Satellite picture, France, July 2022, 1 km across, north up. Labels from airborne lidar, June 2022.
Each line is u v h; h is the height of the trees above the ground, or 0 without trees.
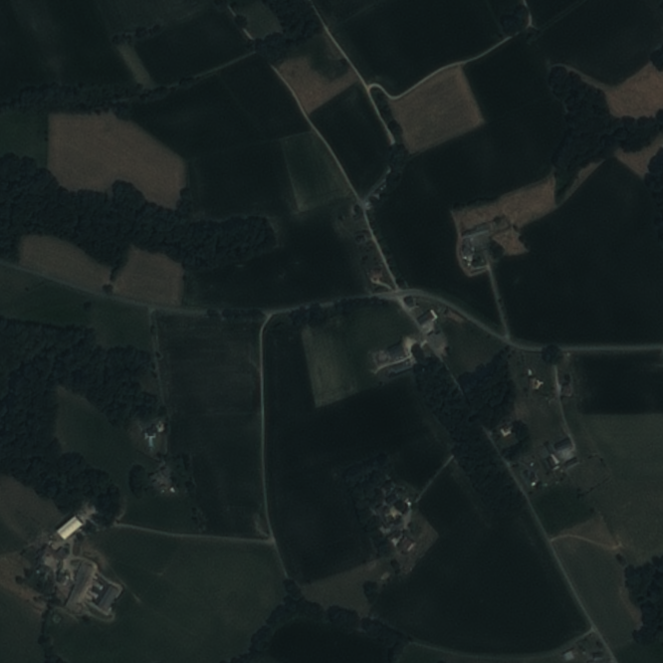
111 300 0
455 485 0
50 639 14
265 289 0
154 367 17
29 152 0
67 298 0
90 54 0
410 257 0
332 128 0
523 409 0
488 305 0
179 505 0
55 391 20
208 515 0
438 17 0
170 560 0
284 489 0
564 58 0
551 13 0
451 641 0
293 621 11
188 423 0
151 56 0
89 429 0
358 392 0
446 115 0
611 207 0
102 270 0
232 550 0
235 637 0
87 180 0
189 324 0
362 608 0
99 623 0
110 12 0
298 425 0
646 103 0
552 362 18
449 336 0
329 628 0
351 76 0
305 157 0
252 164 0
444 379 31
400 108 0
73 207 21
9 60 0
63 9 0
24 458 39
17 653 0
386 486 8
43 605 0
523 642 0
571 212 0
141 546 0
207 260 25
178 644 0
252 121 0
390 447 0
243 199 0
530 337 0
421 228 0
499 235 0
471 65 0
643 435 0
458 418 28
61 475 33
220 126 0
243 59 0
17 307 0
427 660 0
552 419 0
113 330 0
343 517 0
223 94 0
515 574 0
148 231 30
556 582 0
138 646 0
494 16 0
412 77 0
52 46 0
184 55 0
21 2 0
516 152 0
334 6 0
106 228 20
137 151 0
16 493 0
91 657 0
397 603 0
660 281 0
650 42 0
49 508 0
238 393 0
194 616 0
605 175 0
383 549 20
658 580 31
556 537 0
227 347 0
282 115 0
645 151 0
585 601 0
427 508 0
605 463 7
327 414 0
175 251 20
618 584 0
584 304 0
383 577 0
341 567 0
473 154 0
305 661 0
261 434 0
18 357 28
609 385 0
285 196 0
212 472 0
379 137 0
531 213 0
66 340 30
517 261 0
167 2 0
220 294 0
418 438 0
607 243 0
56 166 0
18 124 0
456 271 0
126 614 0
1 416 28
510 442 0
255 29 0
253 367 0
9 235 8
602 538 0
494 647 0
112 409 30
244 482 0
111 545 0
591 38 0
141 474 15
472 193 0
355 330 0
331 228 0
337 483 0
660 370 0
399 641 21
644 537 0
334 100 0
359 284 0
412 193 0
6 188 20
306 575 0
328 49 0
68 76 0
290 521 0
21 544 0
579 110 25
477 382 33
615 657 0
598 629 0
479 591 0
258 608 0
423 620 0
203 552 0
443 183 0
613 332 0
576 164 25
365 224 0
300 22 10
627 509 0
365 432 0
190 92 0
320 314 24
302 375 0
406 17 0
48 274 0
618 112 0
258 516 0
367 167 0
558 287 0
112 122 0
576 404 0
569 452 0
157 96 10
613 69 0
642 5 0
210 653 0
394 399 0
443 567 0
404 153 15
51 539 0
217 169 0
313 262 0
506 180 0
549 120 0
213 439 0
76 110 17
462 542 0
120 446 0
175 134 0
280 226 0
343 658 0
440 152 0
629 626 0
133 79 0
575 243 0
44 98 21
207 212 0
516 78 0
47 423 23
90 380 28
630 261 0
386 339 0
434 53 0
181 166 0
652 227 0
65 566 0
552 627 0
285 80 0
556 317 0
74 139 0
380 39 0
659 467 0
